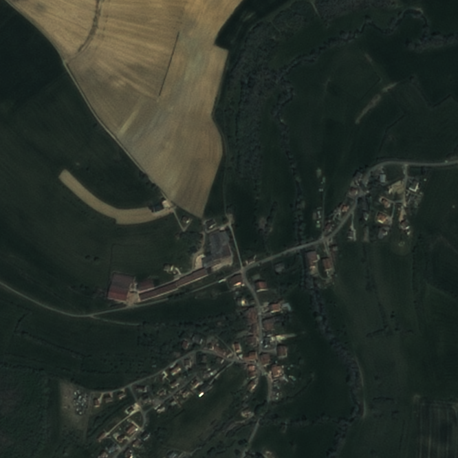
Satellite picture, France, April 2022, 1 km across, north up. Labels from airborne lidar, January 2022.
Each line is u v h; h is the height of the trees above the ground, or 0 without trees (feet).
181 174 0
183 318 0
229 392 0
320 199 0
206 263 0
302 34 0
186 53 0
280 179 0
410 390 0
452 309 0
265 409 52
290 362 0
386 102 0
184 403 0
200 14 0
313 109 0
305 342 0
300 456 0
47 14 0
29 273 0
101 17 0
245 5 0
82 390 0
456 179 0
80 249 0
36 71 0
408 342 0
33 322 0
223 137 0
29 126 0
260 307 0
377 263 0
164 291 0
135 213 0
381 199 0
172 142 0
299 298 0
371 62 0
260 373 0
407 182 0
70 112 0
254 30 31
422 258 0
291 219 0
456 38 70
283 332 0
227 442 0
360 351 0
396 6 28
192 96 0
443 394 0
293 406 0
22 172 0
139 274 0
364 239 0
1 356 0
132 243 0
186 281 0
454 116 0
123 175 0
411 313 0
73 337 0
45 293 0
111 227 0
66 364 0
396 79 0
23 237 0
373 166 0
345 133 0
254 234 0
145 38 0
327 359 0
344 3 55
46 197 0
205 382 20
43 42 0
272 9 0
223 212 0
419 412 0
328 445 0
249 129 26
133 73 0
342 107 0
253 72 81
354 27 0
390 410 0
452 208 0
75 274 0
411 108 0
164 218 0
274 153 0
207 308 0
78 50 0
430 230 0
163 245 0
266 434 0
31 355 0
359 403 20
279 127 0
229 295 0
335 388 0
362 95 0
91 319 0
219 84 0
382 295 0
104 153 0
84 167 0
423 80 0
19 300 0
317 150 0
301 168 0
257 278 0
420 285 0
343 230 0
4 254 0
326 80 0
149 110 0
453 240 0
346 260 0
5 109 0
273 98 0
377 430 0
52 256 0
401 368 0
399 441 0
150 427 0
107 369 0
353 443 0
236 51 0
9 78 0
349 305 0
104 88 0
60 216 0
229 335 23
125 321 0
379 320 0
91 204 0
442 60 0
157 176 0
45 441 37
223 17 0
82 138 0
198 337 28
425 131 0
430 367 0
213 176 0
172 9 0
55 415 0
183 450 0
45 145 0
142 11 0
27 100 0
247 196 0
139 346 18
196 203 0
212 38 0
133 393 0
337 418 0
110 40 0
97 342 0
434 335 0
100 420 35
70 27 0
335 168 0
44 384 40
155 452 0
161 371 0
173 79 0
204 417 0
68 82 0
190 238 45
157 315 0
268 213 0
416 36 0
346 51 0
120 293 0
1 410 56
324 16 60
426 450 0
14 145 0
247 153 33
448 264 0
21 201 0
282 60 0
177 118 0
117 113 0
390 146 0
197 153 0
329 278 0
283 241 0
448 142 0
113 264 0
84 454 0
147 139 0
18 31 0
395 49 0
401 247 0
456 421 0
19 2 0
